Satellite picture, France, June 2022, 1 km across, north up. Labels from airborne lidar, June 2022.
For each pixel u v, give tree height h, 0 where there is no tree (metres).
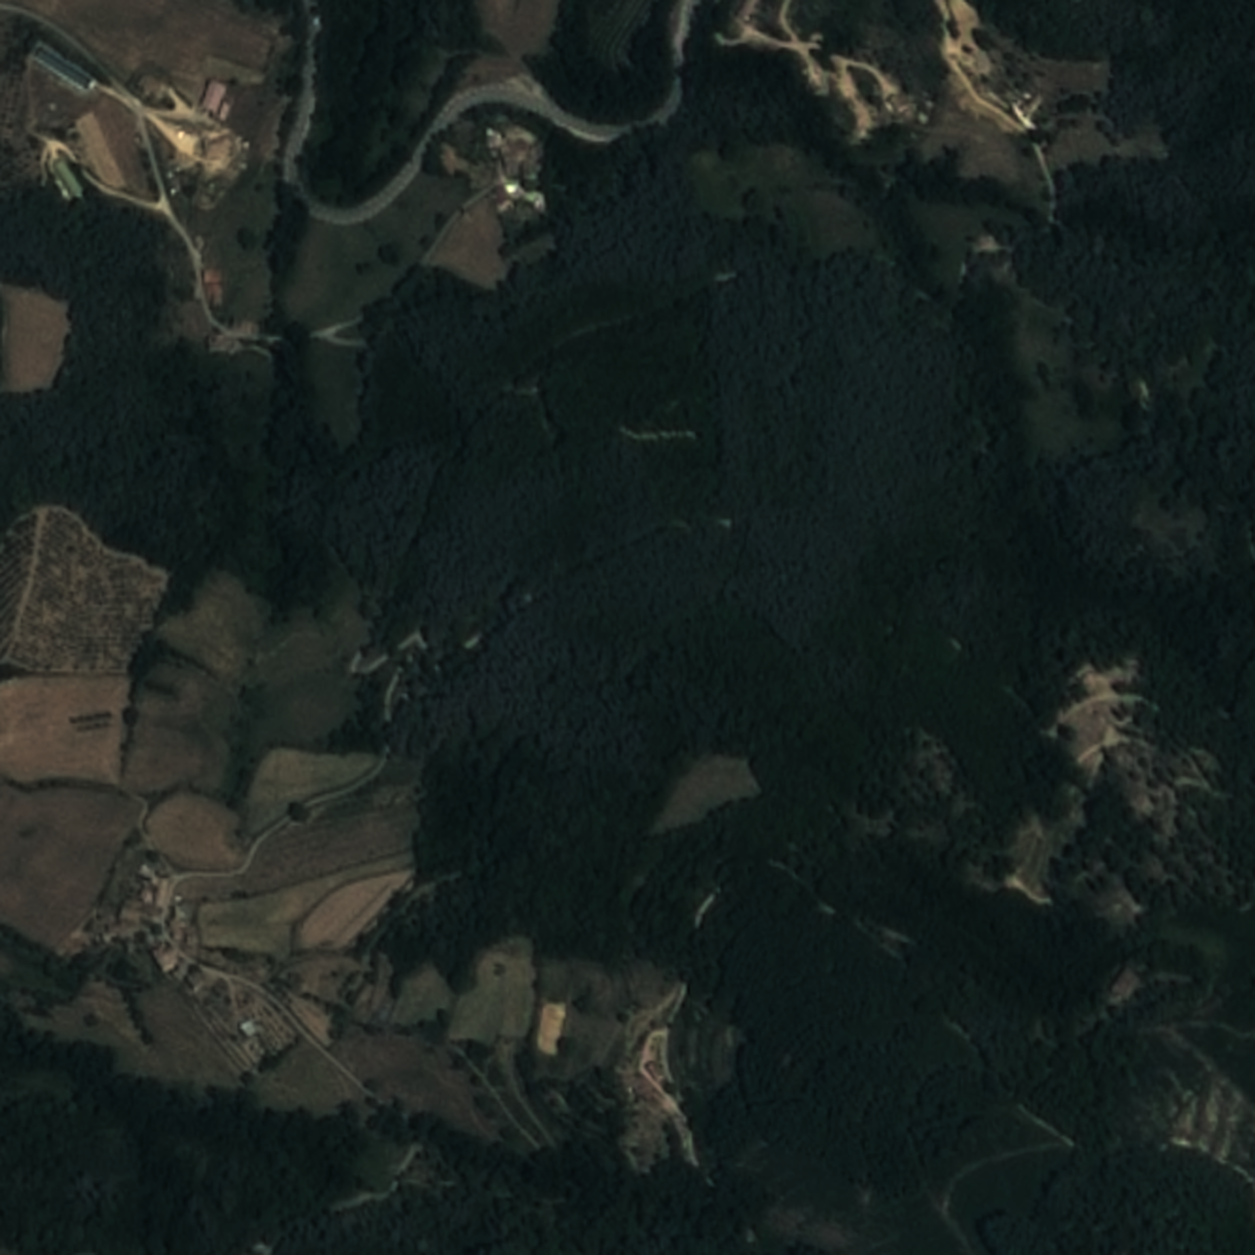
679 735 16
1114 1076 13
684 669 7
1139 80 10
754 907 15
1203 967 14
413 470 23
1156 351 11
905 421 14
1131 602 20
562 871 18
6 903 0
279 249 24
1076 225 20
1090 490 18
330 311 0
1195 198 11
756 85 24
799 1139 16
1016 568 22
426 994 0
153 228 12
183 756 0
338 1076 0
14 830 0
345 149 25
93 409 18
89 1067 25
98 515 16
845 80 0
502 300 12
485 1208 17
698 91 26
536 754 10
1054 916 19
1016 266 10
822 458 15
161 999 0
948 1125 16
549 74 18
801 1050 14
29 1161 7
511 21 0
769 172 0
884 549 15
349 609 0
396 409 9
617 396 12
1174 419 13
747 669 15
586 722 19
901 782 10
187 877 0
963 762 18
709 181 0
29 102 0
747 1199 21
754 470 17
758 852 11
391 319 15
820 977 15
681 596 17
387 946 13
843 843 13
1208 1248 13
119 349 14
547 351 9
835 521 18
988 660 19
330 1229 10
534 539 20
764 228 12
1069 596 20
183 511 20
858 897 11
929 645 9
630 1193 25
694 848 7
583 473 13
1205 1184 10
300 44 10
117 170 0
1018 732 17
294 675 0
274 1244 12
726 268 18
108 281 14
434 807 8
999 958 7
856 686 20
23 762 0
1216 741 15
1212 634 12
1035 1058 16
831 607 20
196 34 0
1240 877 14
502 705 17
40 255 14
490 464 25
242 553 8
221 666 0
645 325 9
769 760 16
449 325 13
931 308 19
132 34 0
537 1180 33
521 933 11
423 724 12
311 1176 5
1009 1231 29
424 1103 0
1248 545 11
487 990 0
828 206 0
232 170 0
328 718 0
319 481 12
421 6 15
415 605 20
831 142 15
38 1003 7
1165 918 16
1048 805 23
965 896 15
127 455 23
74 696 0
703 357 14
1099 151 0
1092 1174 16
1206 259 15
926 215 0
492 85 0
